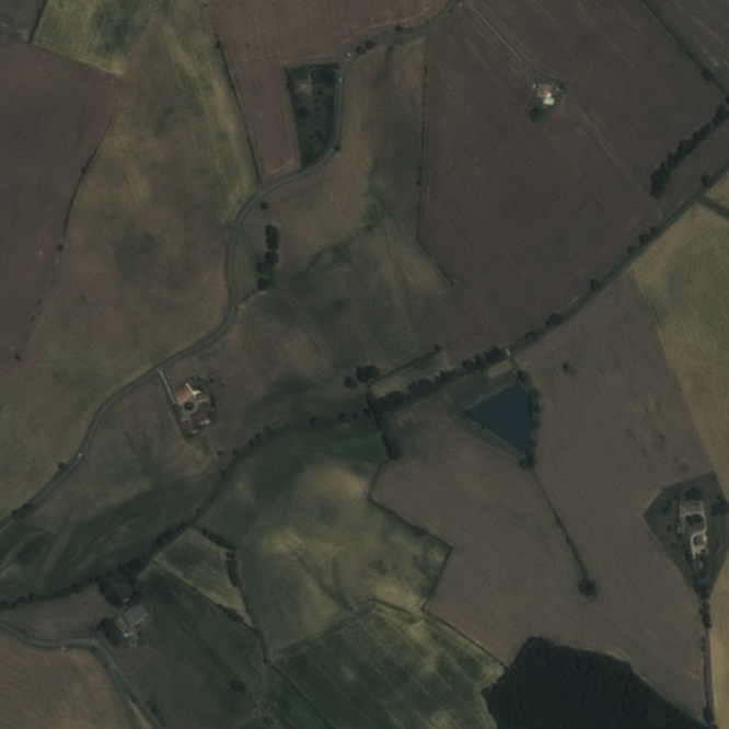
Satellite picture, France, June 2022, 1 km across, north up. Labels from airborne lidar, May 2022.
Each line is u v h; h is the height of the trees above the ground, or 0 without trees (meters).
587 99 0
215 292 0
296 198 0
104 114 0
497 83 0
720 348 0
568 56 0
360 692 0
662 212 0
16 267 0
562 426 0
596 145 0
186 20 0
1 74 0
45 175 0
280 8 0
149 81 0
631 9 0
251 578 0
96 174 0
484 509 0
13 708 0
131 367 0
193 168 0
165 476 0
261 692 0
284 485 0
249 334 0
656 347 0
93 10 0
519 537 0
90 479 0
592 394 0
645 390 0
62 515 0
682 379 0
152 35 0
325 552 0
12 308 0
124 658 0
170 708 0
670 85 0
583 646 0
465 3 0
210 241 0
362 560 0
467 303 0
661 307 0
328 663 0
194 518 0
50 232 0
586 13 0
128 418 0
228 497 0
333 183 0
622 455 0
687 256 0
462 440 0
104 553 0
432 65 0
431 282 0
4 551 0
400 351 0
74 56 0
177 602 0
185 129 0
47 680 0
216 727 0
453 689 0
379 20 0
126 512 0
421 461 0
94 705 0
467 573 0
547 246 0
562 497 0
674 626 0
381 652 0
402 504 0
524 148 0
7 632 0
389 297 0
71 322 0
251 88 0
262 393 0
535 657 21
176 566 0
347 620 0
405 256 0
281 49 0
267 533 0
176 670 0
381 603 0
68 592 7
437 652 0
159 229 0
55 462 0
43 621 0
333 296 0
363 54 10
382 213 0
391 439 20
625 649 0
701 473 0
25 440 0
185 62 0
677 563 0
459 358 0
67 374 0
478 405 0
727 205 0
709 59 0
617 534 0
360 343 0
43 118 0
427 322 0
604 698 19
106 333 0
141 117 0
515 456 0
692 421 0
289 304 0
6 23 0
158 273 0
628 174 0
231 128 0
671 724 20
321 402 0
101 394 0
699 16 0
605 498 0
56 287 0
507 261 0
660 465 0
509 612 0
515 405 0
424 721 0
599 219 0
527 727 10
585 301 0
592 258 0
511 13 0
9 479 0
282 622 0
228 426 0
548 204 0
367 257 0
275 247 16
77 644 0
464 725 0
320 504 0
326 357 0
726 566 0
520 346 0
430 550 0
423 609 0
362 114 0
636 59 0
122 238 0
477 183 0
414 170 0
